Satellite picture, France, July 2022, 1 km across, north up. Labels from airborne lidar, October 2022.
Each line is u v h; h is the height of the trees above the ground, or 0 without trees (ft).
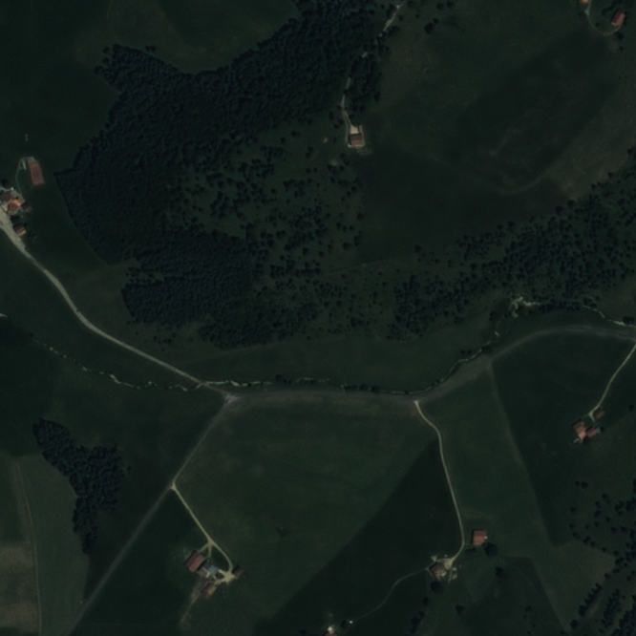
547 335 0
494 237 32
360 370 0
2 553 0
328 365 0
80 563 0
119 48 57
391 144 0
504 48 0
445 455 0
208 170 52
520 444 0
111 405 0
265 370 0
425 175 0
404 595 0
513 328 0
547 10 0
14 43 0
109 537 0
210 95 53
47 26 0
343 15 51
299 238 39
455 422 0
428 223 0
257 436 0
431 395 0
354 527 0
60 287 0
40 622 0
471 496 0
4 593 0
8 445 0
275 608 0
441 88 0
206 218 0
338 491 0
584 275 27
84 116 0
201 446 0
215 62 0
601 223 72
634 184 0
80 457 64
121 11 0
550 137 0
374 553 0
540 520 0
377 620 0
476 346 0
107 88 0
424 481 0
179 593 0
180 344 0
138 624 0
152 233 71
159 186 56
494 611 0
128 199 68
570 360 0
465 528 0
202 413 0
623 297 0
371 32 21
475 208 0
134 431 0
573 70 0
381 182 0
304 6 43
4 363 0
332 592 0
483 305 0
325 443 0
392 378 0
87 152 54
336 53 52
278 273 55
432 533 0
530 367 0
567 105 0
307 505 0
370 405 0
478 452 0
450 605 0
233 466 0
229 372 0
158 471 0
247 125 76
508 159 0
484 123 0
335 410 0
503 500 0
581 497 0
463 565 0
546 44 0
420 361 0
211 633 0
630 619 74
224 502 0
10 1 0
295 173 0
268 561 0
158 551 0
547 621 0
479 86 0
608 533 0
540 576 0
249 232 42
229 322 36
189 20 0
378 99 58
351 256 0
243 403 0
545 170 0
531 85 0
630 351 0
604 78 0
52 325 0
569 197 0
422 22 0
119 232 48
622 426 0
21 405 0
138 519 0
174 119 67
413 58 0
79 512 37
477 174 0
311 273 68
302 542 0
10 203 0
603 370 0
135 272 41
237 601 0
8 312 0
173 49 0
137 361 0
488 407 0
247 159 0
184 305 52
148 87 89
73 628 0
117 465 40
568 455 0
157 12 0
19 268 0
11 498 0
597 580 0
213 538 0
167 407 0
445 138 0
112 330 0
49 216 0
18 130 0
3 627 0
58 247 0
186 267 62
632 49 0
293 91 51
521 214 0
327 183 0
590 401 0
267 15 0
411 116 0
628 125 0
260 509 0
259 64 82
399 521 0
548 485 0
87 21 0
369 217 0
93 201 63
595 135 0
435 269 0
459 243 22
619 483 0
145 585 0
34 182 0
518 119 0
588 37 0
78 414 0
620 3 35
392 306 0
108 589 0
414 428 0
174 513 0
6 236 0
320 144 0
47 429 84
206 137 43
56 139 0
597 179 0
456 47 0
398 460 0
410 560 0
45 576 0
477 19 0
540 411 0
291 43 76
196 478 0
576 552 0
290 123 39
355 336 0
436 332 0
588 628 0
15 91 0
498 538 0
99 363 0
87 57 0
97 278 0
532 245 23
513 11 0
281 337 26
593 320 0
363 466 0
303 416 0
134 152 60
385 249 0
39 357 0
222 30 0
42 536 0
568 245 70
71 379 0
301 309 20
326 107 46
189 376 0
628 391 0
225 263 85
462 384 0
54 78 0
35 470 0
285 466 0
